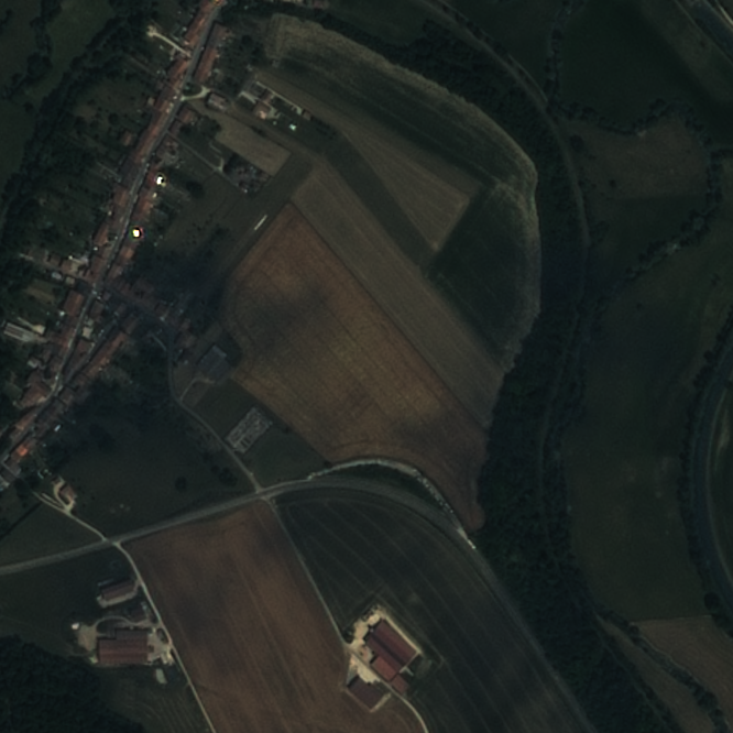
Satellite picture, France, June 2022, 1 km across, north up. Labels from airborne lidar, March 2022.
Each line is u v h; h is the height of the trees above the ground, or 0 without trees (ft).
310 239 0
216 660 0
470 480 0
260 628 0
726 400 0
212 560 0
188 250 0
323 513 0
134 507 0
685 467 49
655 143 0
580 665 61
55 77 0
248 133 0
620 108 0
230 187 0
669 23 0
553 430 30
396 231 0
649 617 0
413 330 0
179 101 0
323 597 0
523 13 0
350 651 0
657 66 0
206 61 0
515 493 79
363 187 0
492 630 0
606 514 0
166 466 0
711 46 0
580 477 0
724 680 0
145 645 0
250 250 0
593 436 0
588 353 0
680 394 0
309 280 0
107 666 0
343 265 0
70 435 0
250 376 0
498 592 0
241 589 0
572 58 0
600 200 0
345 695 0
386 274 0
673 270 0
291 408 0
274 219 0
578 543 0
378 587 0
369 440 0
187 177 0
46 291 0
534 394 73
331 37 0
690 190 0
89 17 0
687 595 0
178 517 0
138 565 0
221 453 0
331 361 0
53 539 0
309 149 0
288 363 0
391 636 0
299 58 0
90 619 0
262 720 0
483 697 0
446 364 0
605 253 0
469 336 0
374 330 0
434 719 0
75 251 0
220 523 0
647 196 0
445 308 0
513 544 57
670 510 0
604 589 0
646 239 0
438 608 0
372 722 0
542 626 45
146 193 0
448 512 0
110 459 0
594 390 0
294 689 0
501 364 0
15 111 0
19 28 0
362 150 0
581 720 0
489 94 35
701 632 0
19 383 0
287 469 0
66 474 0
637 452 0
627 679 69
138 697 0
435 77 25
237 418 0
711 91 0
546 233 29
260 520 0
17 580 0
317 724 0
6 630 0
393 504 0
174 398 0
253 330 0
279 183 0
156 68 0
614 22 0
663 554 0
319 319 0
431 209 0
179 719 0
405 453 0
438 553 0
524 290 0
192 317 0
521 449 29
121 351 0
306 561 0
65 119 66
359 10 0
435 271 0
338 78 0
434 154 0
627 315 0
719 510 0
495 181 0
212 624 0
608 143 0
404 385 0
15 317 0
